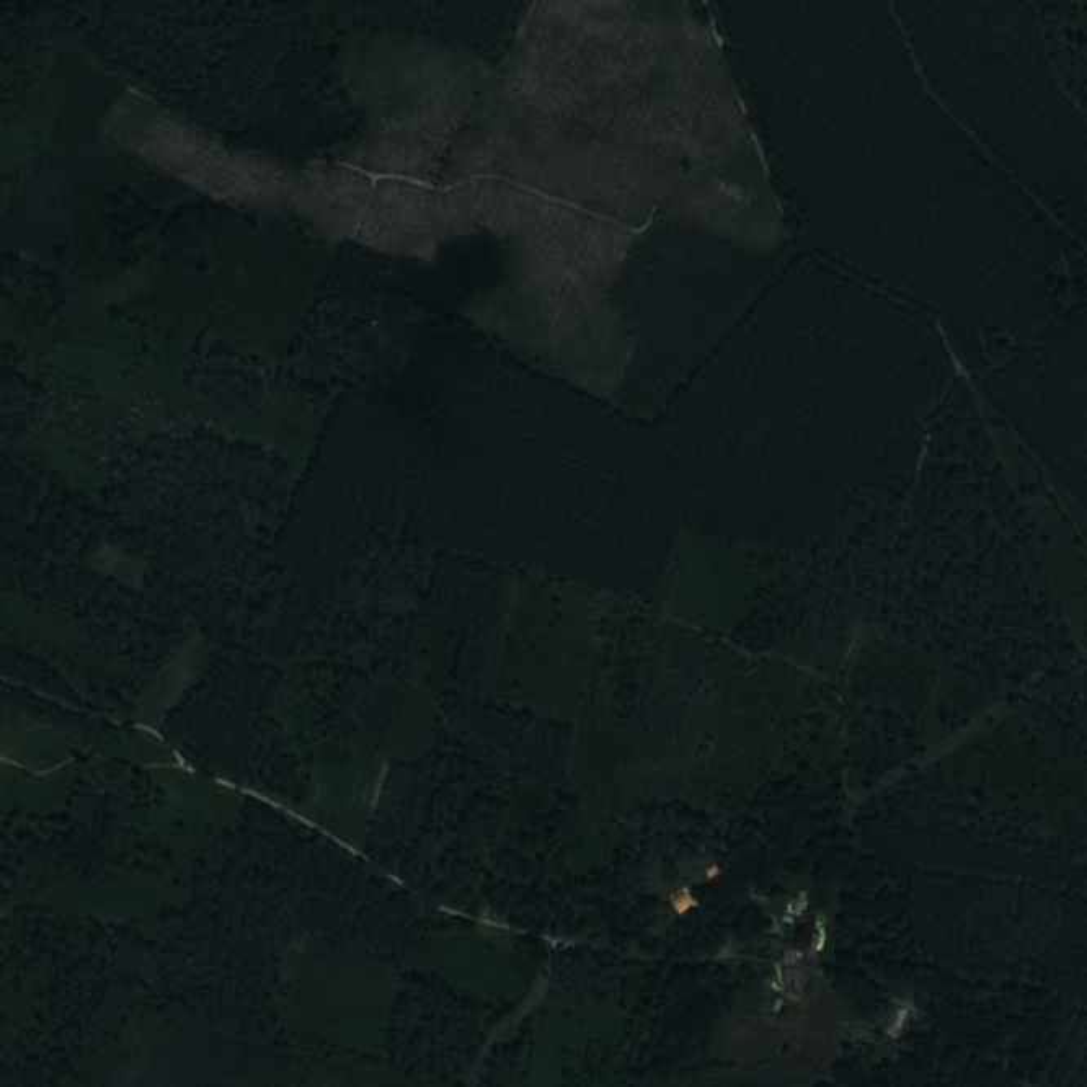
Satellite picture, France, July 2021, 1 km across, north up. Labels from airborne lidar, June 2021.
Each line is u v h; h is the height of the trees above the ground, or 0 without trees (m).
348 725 17
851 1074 23
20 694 16
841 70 10
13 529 18
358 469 16
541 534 15
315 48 7
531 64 0
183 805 0
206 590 13
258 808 22
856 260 12
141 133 0
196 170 0
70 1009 19
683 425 15
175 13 6
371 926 16
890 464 16
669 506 14
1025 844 14
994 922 14
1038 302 12
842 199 11
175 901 0
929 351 15
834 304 16
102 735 13
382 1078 0
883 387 15
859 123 11
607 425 15
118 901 0
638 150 0
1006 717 0
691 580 0
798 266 16
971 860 11
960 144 11
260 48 13
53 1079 8
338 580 15
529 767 20
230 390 24
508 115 0
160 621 12
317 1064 0
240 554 21
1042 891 14
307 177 0
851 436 15
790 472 14
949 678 0
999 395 11
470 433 16
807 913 6
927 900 12
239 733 18
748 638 8
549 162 0
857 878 21
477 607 21
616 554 14
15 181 8
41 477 9
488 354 17
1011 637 20
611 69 0
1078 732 21
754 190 0
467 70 0
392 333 15
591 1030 0
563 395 17
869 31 10
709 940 16
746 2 11
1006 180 11
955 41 13
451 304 9
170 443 10
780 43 11
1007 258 13
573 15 0
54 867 16
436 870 21
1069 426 11
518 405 16
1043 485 9
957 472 15
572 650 0
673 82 0
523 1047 11
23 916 9
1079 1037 16
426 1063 21
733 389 14
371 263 18
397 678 11
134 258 15
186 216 22
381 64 0
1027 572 18
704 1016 17
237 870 21
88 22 25
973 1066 11
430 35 20
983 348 12
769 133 13
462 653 16
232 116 12
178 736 18
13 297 12
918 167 11
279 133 13
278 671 17
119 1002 23
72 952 10
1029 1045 10
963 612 16
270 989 23
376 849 12
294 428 0
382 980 0
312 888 20
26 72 12
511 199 0
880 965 21
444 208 0
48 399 21
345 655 8
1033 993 19
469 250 6
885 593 19
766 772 10
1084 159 12
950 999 18
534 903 21
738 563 0
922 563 21
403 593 28
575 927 20
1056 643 18
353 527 17
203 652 0
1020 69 12
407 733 0
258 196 0
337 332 14
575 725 12
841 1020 0
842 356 16
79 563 16
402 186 0
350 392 16
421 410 20
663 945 18
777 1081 0
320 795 0
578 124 0
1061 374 12
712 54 0
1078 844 9
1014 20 11
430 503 17
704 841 23
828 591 19
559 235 0
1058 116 11
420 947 15
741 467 14
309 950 0
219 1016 23
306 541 17
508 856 14
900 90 10
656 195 0
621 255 0
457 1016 22
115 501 24
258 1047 0
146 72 13
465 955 0
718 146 0
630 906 11
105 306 0
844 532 18
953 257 12
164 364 20
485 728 19
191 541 21
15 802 0
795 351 16
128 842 11
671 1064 25
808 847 17
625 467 16
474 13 16
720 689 8
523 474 16
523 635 0
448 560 20
